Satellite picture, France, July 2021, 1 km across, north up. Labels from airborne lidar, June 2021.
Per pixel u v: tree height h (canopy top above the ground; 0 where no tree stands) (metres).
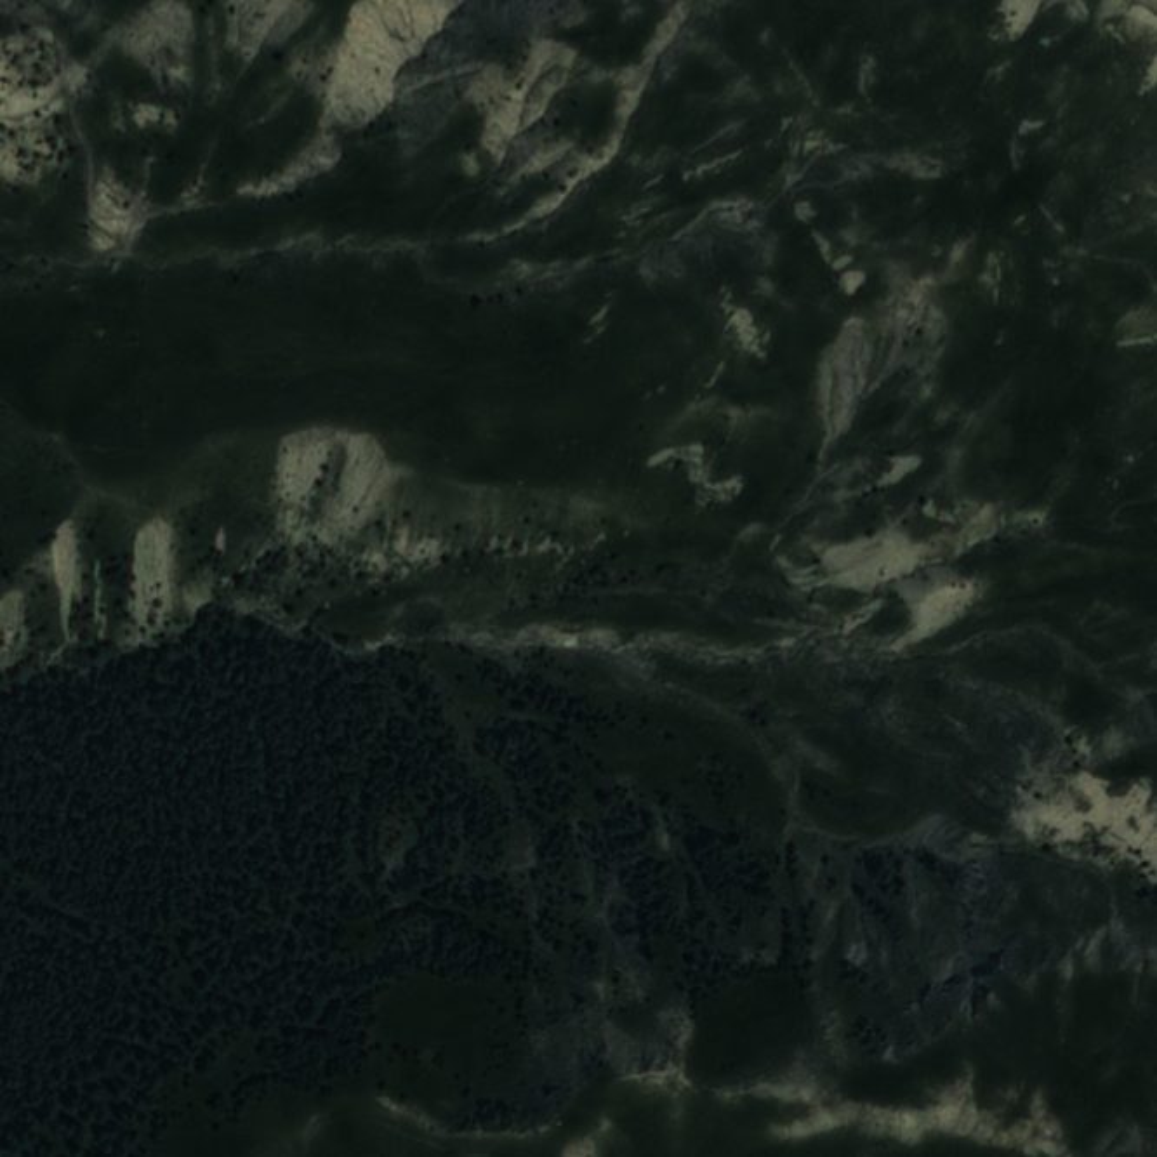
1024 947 0
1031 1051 0
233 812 22
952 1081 0
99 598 0
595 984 0
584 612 0
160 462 0
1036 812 0
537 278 0
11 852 18
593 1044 0
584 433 0
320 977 10
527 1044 0
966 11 0
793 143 0
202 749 10
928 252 0
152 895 21
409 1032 0
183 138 0
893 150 0
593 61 0
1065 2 0
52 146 7
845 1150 0
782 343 0
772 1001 0
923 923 0
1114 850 0
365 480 0
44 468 0
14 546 0
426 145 0
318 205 0
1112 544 0
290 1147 0
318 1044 17
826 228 0
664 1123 0
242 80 0
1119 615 0
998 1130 0
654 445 0
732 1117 0
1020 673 0
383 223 0
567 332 0
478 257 0
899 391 0
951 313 0
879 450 0
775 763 0
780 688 0
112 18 0
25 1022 22
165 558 0
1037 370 0
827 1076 0
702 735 0
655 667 0
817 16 0
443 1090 0
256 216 0
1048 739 0
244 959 12
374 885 18
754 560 0
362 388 0
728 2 0
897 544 0
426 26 0
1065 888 0
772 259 0
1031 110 0
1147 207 0
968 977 0
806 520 0
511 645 0
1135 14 0
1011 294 0
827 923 0
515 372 0
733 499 0
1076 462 0
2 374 0
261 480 0
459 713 0
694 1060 0
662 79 0
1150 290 0
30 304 0
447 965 22
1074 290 0
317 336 0
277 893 15
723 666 0
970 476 0
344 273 0
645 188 0
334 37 0
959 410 0
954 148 0
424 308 0
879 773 0
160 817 19
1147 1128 0
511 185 0
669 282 0
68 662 9
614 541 0
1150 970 0
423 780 13
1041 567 0
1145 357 0
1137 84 0
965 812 0
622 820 6
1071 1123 0
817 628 0
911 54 0
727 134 0
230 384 0
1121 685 0
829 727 0
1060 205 0
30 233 0
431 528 0
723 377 0
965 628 0
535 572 0
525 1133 0
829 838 0
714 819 0
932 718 0
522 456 0
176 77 0
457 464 0
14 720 26
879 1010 0
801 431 0
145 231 0
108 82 0
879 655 0
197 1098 0
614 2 0
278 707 22
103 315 0
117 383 0
